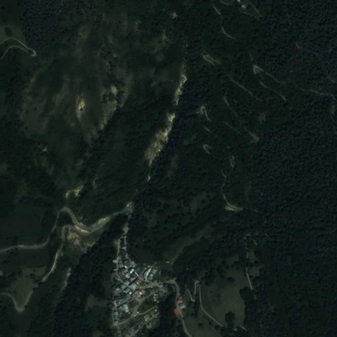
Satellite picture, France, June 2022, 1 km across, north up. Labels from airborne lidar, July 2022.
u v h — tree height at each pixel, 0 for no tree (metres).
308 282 17
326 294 20
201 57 8
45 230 14
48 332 23
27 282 0
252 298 21
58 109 0
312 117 21
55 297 20
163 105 19
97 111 0
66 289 9
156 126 14
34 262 0
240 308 0
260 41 21
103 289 9
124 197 7
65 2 13
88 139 0
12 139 17
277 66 15
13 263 0
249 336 16
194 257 15
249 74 15
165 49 6
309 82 13
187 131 21
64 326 25
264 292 15
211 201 12
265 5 23
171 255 0
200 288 0
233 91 18
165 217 0
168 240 17
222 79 19
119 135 0
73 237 0
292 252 30
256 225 20
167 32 14
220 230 19
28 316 0
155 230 13
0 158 18
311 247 13
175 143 11
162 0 21
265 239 22
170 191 27
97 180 8
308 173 20
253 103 19
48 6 19
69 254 0
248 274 8
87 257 30
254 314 27
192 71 18
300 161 20
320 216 21
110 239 25
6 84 9
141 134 8
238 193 14
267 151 7
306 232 25
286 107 19
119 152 0
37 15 22
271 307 19
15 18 0
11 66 8
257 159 20
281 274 18
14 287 0
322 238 17
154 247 0
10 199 12
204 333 0
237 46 14
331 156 20
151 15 7
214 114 7
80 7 10
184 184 22
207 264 18
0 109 0
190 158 23
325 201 27
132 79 0
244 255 19
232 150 18
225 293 0
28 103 0
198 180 19
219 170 19
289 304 21
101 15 9
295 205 30
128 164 13
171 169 10
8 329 20
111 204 8
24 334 0
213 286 0
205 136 21
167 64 17
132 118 9
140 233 17
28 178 14
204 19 15
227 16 22
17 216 0
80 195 12
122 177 11
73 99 0
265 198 18
